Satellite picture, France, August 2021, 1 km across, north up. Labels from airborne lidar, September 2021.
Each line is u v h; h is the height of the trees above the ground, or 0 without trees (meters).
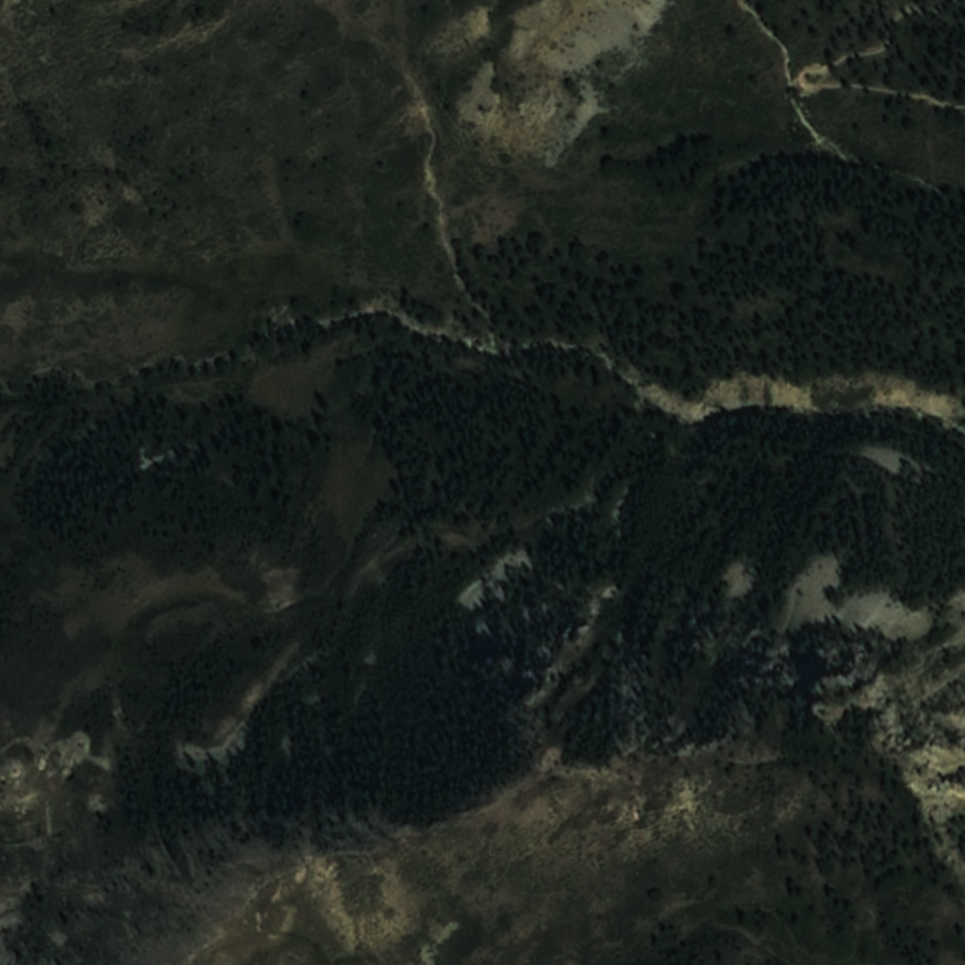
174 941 0
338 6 0
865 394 0
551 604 7
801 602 0
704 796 0
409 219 0
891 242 22
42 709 0
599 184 0
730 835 0
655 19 0
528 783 0
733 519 10
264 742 8
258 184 0
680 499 10
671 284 0
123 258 0
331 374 0
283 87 0
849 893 0
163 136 0
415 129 0
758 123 0
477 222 0
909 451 11
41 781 0
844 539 8
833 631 10
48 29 0
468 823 0
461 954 0
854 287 14
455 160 0
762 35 0
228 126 0
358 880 0
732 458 10
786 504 11
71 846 0
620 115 0
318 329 18
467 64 0
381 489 0
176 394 0
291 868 0
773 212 16
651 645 14
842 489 10
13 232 0
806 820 0
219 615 0
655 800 0
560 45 0
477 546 0
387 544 0
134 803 7
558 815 0
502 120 0
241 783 8
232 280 0
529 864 0
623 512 8
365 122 0
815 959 0
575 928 0
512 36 0
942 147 0
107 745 0
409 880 0
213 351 0
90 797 0
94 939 0
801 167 16
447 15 0
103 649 0
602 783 0
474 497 14
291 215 0
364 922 0
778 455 13
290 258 0
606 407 7
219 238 0
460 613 9
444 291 0
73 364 0
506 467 12
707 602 11
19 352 0
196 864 0
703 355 20
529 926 0
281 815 8
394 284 0
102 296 0
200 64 0
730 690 10
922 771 9
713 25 0
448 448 0
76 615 0
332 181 0
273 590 0
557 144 0
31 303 0
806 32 0
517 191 0
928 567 14
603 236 0
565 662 0
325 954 0
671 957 6
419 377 9
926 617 0
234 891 0
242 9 0
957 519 19
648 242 0
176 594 0
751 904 0
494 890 0
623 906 0
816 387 8
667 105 0
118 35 0
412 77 0
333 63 0
